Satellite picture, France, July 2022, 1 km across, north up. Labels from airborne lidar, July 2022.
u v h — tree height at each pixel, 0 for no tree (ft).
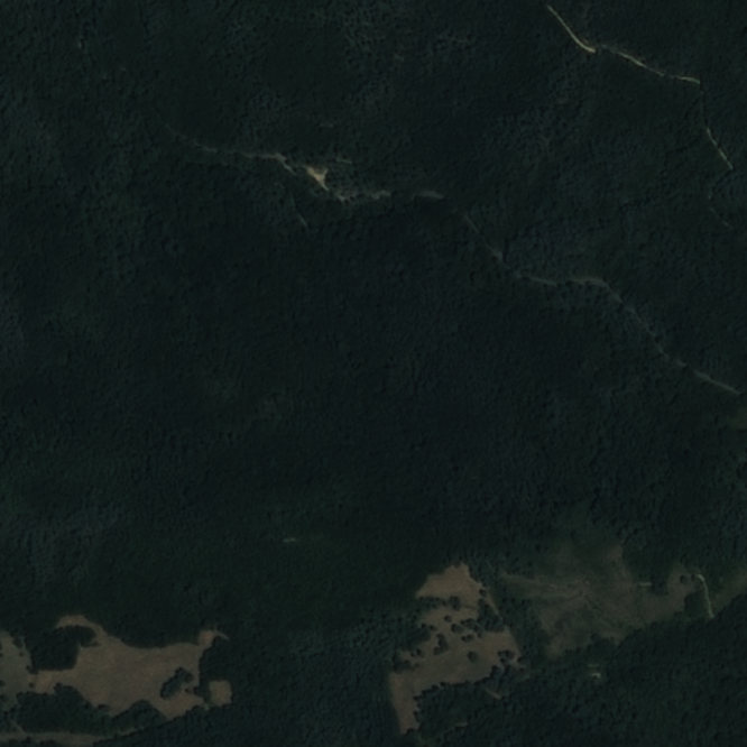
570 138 68
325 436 69
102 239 64
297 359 73
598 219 35
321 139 60
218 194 62
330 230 54
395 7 55
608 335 78
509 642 0
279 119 60
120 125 80
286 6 49
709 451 62
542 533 59
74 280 62
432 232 61
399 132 69
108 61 49
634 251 56
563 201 46
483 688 67
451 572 0
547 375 61
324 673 55
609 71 54
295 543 45
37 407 76
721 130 48
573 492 79
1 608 73
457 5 46
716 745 55
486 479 82
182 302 49
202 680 43
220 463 64
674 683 42
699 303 43
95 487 63
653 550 58
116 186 66
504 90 51
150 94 66
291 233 59
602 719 59
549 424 57
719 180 44
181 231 58
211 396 59
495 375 67
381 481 63
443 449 71
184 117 69
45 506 65
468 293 79
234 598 45
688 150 77
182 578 64
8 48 73
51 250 62
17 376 54
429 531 74
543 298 47
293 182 48
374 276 63
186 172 75
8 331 70
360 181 79
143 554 48
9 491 46
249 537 52
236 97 46
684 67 39
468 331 64
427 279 58
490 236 55
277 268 54
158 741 76
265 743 67
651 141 44
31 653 22
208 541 51
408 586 45
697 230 49
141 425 58
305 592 50
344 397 70
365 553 57
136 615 53
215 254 86
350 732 84
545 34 45
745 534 61
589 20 37
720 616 21
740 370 64
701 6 34
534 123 64
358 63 47
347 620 36
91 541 75
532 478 80
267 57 40
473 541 60
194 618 44
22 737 0
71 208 70
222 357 47
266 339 58
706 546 49
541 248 83
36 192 78
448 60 73
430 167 60
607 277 37
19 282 61
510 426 62
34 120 74
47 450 63
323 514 33
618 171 58
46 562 97
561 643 0
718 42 66
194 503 67
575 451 60
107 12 84
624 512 56
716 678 48
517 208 50
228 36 55
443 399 75
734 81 44
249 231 62
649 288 54
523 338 70
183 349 63
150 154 94
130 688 0
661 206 60
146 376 57
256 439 53
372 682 69
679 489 64
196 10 64
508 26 57
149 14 65
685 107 69
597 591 0
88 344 57
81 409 71
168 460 60
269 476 73
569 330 58
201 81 62
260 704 51
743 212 31
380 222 79
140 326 64
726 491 50
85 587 62
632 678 51
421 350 73
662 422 62
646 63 36
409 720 0
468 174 58
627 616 0
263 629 47
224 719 82
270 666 45
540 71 40
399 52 64
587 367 89
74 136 56
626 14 46
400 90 52
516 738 87
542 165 45
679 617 35
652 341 64
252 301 56
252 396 55
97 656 0
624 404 64
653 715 41
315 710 77
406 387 68
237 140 65
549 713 78
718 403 42
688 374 82
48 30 63
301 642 30
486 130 53
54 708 61
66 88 53
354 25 52
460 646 0
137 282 62
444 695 75
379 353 52
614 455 62
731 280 50
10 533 87
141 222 85
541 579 0
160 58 54
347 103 68
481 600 34
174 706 0
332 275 62
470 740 65
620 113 40
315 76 51
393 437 78
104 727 38
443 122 56
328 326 66
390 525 66
